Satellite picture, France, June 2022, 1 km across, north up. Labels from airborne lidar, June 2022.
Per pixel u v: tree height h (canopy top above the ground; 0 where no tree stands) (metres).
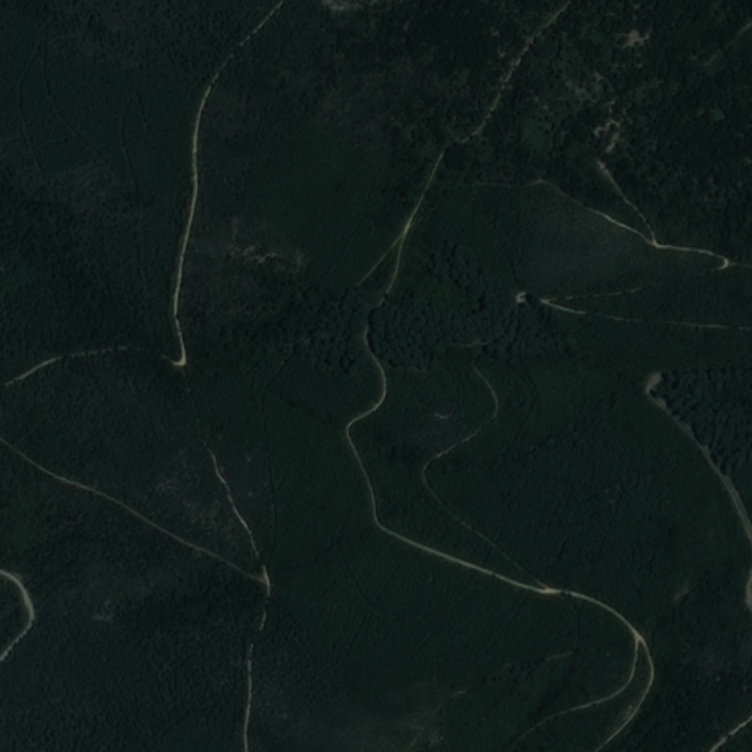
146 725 7
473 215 9
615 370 9
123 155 12
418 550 7
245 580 9
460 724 7
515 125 12
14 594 7
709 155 15
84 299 10
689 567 8
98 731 9
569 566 13
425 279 7
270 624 7
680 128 18
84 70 10
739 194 14
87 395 8
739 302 10
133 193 8
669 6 19
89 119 11
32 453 6
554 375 11
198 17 8
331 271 11
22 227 8
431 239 8
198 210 0
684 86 14
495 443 9
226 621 6
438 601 10
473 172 8
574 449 13
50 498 7
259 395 13
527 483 13
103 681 10
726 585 9
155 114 9
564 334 10
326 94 9
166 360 10
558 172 7
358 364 28
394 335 37
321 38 6
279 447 12
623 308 10
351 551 11
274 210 10
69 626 8
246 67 11
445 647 10
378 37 10
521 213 7
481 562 10
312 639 10
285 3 7
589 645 10
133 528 5
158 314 7
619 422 7
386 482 9
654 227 8
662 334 6
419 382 7
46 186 8
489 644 10
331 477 10
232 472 6
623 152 12
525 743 8
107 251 7
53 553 8
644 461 11
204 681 6
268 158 7
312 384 12
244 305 16
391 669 10
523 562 11
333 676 8
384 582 11
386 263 7
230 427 10
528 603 11
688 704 15
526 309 29
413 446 6
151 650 8
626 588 11
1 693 9
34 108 11
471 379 8
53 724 8
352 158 10
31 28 11
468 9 11
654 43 15
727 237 7
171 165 9
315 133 8
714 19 14
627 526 11
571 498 11
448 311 7
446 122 6
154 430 8
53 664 9
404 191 14
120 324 11
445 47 11
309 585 11
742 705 16
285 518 9
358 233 11
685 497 11
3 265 8
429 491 9
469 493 10
